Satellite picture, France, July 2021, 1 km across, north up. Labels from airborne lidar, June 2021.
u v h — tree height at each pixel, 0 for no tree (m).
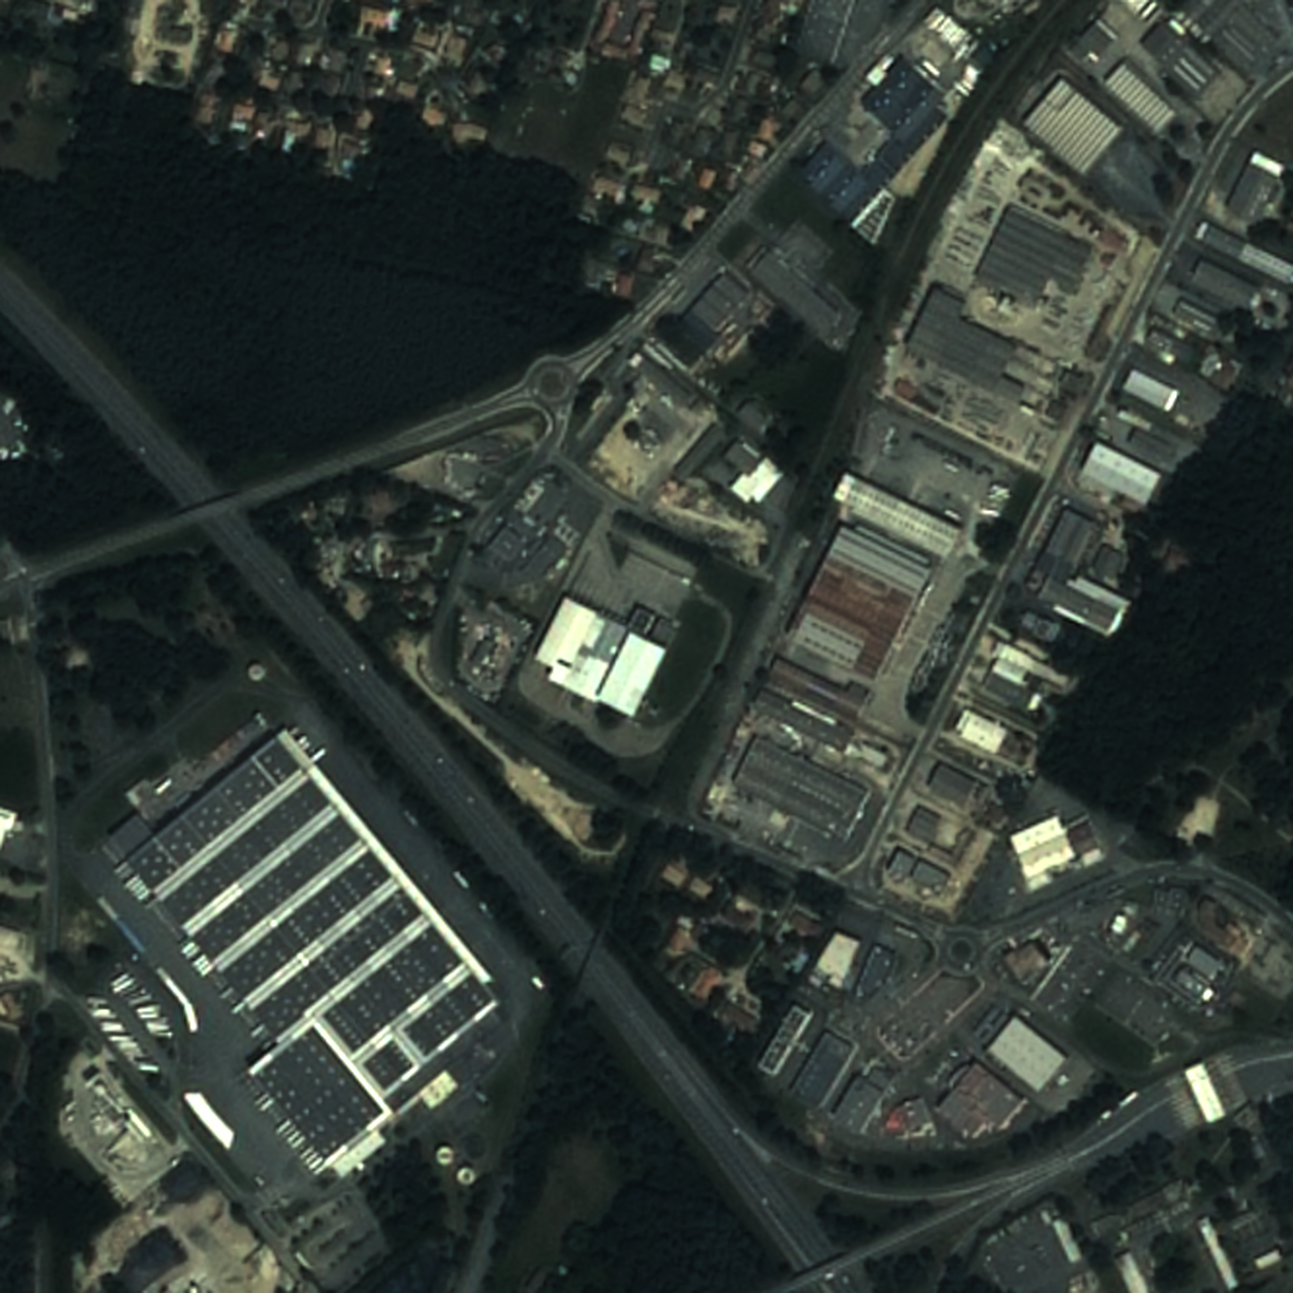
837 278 0
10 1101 12
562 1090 16
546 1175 16
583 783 0
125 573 12
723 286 0
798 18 10
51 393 12
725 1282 27
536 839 17
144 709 14
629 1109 8
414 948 0
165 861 0
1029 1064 0
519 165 14
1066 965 0
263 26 0
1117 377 0
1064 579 0
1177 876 0
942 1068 0
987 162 0
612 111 0
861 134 0
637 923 17
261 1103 0
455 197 15
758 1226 0
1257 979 0
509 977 0
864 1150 0
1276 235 10
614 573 0
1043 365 0
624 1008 0
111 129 23
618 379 0
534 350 7
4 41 16
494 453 0
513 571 0
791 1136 21
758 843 0
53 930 0
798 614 0
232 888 0
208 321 20
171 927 0
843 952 0
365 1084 0
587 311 10
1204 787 13
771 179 0
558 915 0
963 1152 0
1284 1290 0
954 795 0
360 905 0
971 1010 0
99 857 0
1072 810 0
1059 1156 0
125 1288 7
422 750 0
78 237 21
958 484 0
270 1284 0
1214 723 20
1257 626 20
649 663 0
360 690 0
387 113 14
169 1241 0
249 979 0
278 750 0
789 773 0
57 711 14
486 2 7
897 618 0
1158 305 0
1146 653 15
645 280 0
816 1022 0
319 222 21
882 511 0
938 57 0
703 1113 0
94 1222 11
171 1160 0
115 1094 0
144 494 16
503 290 20
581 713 0
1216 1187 18
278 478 0
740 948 17
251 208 19
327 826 0
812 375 0
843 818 0
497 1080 0
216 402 18
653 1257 18
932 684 6
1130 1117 0
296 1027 0
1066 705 9
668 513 0
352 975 0
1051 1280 0
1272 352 19
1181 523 15
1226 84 0
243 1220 12
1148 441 0
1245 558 19
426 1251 0
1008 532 24
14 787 0
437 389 20
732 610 0
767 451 7
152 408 0
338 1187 0
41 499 18
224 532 0
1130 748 19
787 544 0
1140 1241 0
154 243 15
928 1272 19
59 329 0
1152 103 0
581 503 0
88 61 18
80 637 16
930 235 0
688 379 0
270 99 15
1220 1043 0
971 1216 0
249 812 0
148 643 17
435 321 21
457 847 14
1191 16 0
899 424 0
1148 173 0
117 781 0
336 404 21
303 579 13
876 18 0
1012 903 0
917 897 0
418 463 0
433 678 0
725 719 0
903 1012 0
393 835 0
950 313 0
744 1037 15
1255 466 21
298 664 10
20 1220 11
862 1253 0
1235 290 0
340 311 21
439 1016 0
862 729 0
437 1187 13
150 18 0
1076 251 0
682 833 20
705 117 0
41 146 0
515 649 0
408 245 18
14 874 13
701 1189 11
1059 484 0
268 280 19
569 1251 10
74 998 0
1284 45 0
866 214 0
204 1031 0
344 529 17
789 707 0
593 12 0
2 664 0
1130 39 0
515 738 0
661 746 0
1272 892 6
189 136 12
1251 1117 0
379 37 9
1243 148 0
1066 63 0
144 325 21
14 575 0
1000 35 0
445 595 11
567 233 9
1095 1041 0
